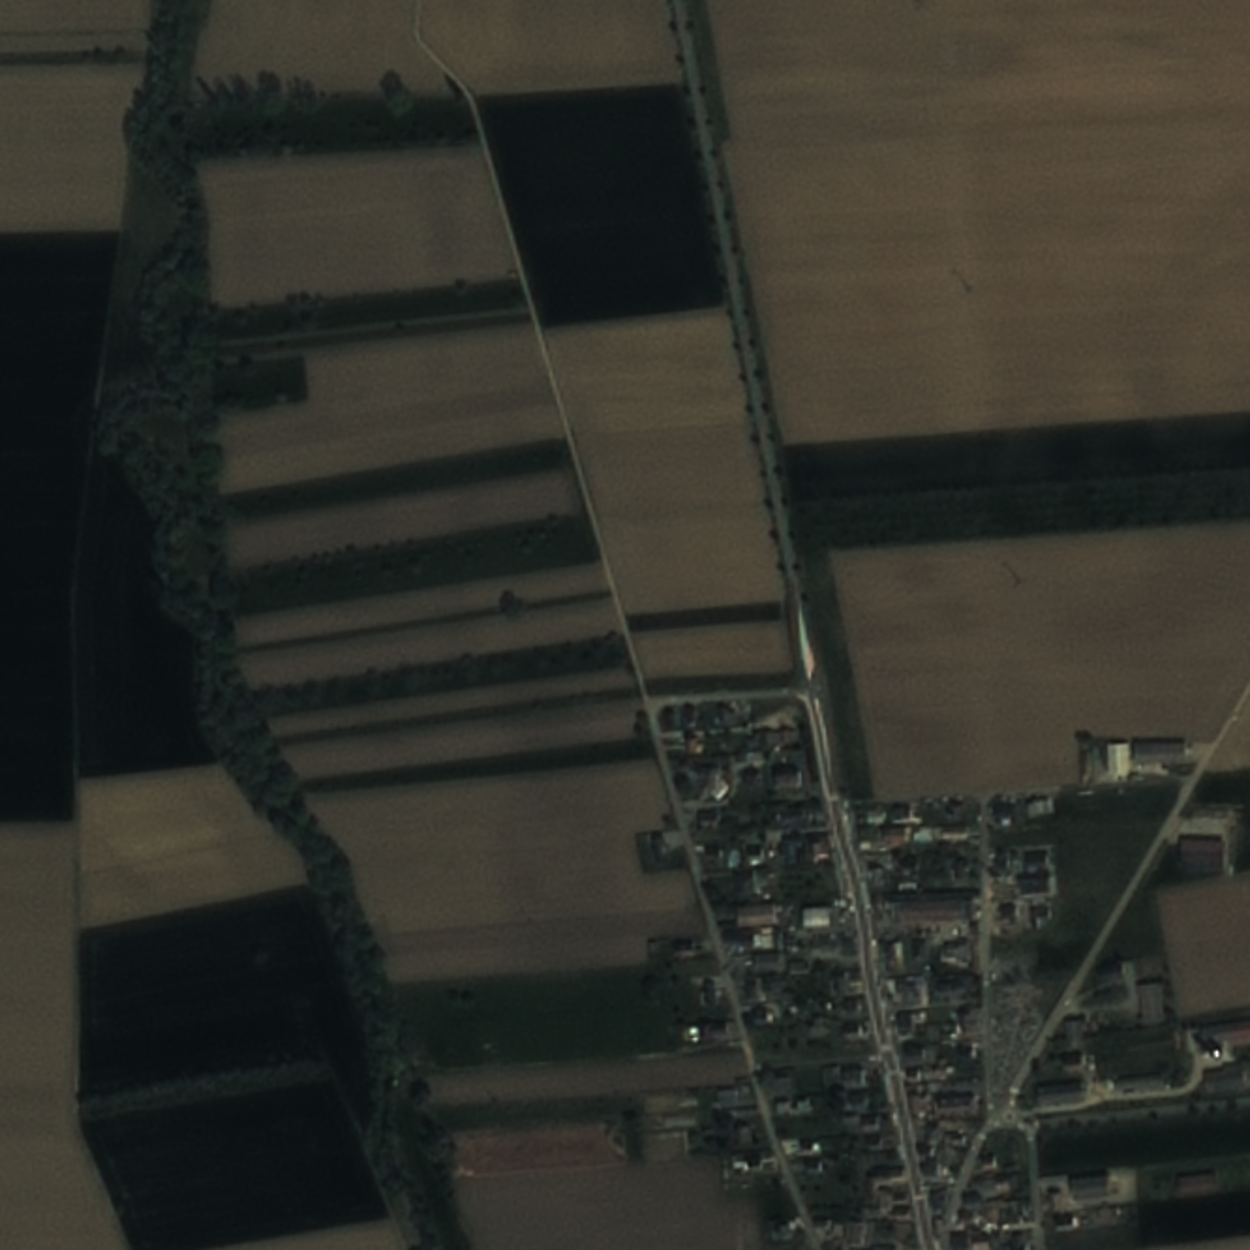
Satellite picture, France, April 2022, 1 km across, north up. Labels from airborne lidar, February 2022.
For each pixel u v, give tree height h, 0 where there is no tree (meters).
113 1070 0
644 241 0
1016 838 0
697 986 0
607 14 0
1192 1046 0
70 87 0
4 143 0
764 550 0
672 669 0
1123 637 0
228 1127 0
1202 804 0
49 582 0
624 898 0
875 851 0
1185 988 0
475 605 0
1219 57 0
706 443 0
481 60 0
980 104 0
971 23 0
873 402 0
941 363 0
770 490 0
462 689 0
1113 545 0
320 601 0
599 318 0
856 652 0
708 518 0
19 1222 0
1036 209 0
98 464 0
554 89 0
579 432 0
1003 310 0
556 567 0
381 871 0
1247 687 0
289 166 0
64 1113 0
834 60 0
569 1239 0
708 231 0
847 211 0
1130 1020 0
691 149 0
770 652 0
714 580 0
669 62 0
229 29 0
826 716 0
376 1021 13
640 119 0
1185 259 0
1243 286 0
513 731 0
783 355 0
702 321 0
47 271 0
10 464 0
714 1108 0
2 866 0
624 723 0
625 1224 0
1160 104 0
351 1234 0
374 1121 8
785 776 0
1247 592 0
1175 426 0
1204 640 0
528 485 0
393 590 0
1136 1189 0
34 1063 0
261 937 0
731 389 0
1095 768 0
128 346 0
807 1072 0
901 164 0
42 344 0
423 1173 0
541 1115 0
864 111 0
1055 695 0
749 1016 7
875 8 0
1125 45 0
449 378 0
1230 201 0
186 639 0
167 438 0
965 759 0
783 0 0
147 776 0
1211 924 0
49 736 0
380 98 0
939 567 0
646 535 0
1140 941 0
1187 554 0
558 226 0
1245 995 0
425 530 0
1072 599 0
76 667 0
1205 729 0
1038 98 0
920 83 0
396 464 0
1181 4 0
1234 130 0
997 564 0
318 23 0
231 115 0
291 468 0
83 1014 0
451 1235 0
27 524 0
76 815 0
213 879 0
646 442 0
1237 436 0
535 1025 0
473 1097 0
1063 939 0
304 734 0
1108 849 0
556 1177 0
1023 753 0
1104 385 0
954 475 0
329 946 0
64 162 0
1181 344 0
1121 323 0
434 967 0
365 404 0
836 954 0
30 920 0
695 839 0
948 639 0
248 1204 0
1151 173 0
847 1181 7
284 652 0
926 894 5
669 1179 0
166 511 9
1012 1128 0
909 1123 0
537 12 0
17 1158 0
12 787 0
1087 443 0
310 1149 0
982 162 0
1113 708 0
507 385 0
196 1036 0
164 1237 0
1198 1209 0
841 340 0
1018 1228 0
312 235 0
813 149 0
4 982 0
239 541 0
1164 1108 0
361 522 0
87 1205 0
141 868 0
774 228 0
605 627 0
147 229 0
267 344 0
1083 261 0
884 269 0
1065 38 0
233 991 0
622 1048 0
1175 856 0
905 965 0
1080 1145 0
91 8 0
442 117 0
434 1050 0
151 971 0
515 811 0
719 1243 0
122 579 0
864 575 0
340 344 0
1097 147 0
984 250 0
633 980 0
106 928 0
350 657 0
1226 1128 0
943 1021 0
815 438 0
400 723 0
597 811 0
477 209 0
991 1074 0
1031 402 0
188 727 0
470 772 0
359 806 0
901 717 0
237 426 0
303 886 0
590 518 0
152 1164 0
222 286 0
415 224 0
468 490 0
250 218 0
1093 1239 0
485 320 0
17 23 0
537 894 0
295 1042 0
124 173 0
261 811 17
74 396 0
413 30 0
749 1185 0
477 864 0
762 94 0
